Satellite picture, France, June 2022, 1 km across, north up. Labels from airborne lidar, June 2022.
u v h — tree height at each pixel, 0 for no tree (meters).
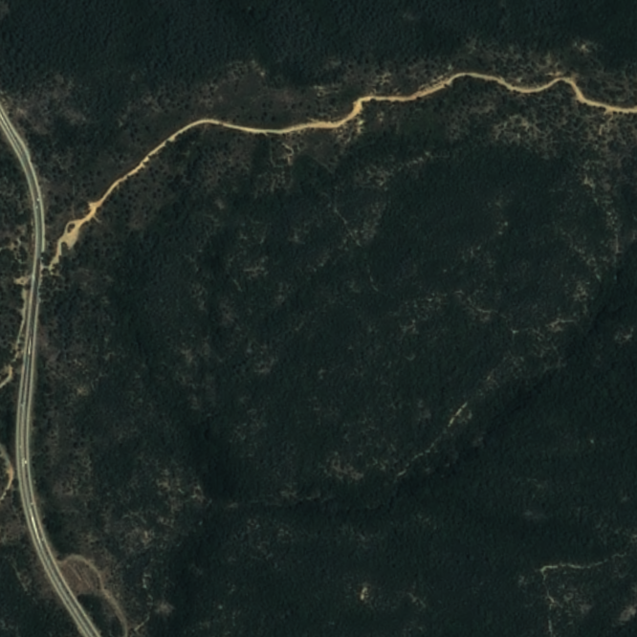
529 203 8
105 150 8
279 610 9
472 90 9
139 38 10
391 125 8
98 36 14
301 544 7
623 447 8
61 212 8
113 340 6
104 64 10
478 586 7
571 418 8
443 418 9
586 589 7
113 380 8
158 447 8
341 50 12
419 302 9
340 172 11
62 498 0
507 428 11
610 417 8
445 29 11
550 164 9
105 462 10
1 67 13
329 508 14
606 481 9
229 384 8
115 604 0
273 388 8
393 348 7
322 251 10
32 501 0
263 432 8
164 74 14
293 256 7
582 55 7
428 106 11
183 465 6
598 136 8
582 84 9
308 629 9
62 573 0
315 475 7
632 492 8
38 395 9
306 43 12
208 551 11
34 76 6
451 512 8
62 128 8
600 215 7
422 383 7
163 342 6
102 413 7
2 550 6
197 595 10
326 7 11
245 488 11
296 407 7
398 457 10
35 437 0
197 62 13
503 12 12
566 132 7
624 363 6
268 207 7
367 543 7
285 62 8
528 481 8
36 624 7
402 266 9
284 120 0
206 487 12
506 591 6
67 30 15
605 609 7
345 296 11
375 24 11
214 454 19
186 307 5
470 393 6
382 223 7
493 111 8
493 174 9
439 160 9
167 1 15
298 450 9
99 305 7
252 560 8
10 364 8
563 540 7
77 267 13
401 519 7
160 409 9
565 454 10
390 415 8
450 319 7
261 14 9
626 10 8
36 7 6
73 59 9
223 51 15
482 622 7
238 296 8
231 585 6
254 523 6
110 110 12
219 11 22
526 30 7
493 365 7
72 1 14
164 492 7
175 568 9
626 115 6
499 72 7
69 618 6
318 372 7
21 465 0
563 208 10
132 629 7
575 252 7
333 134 0
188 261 6
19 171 11
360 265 9
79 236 0
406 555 10
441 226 7
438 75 6
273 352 6
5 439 8
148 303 9
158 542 7
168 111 11
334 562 9
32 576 8
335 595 7
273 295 7
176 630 8
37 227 0
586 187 6
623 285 15
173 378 7
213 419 11
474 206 5
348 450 9
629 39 8
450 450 11
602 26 6
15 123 0
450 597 6
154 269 8
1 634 11
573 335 10
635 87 7
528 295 7
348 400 8
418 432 9
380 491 8
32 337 0
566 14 9
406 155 6
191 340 7
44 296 8
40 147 10
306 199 8
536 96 8
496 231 6
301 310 7
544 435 6
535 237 9
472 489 11
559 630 9
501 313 8
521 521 7
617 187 6
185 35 16
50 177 12
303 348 8
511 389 11
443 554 8
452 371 9
